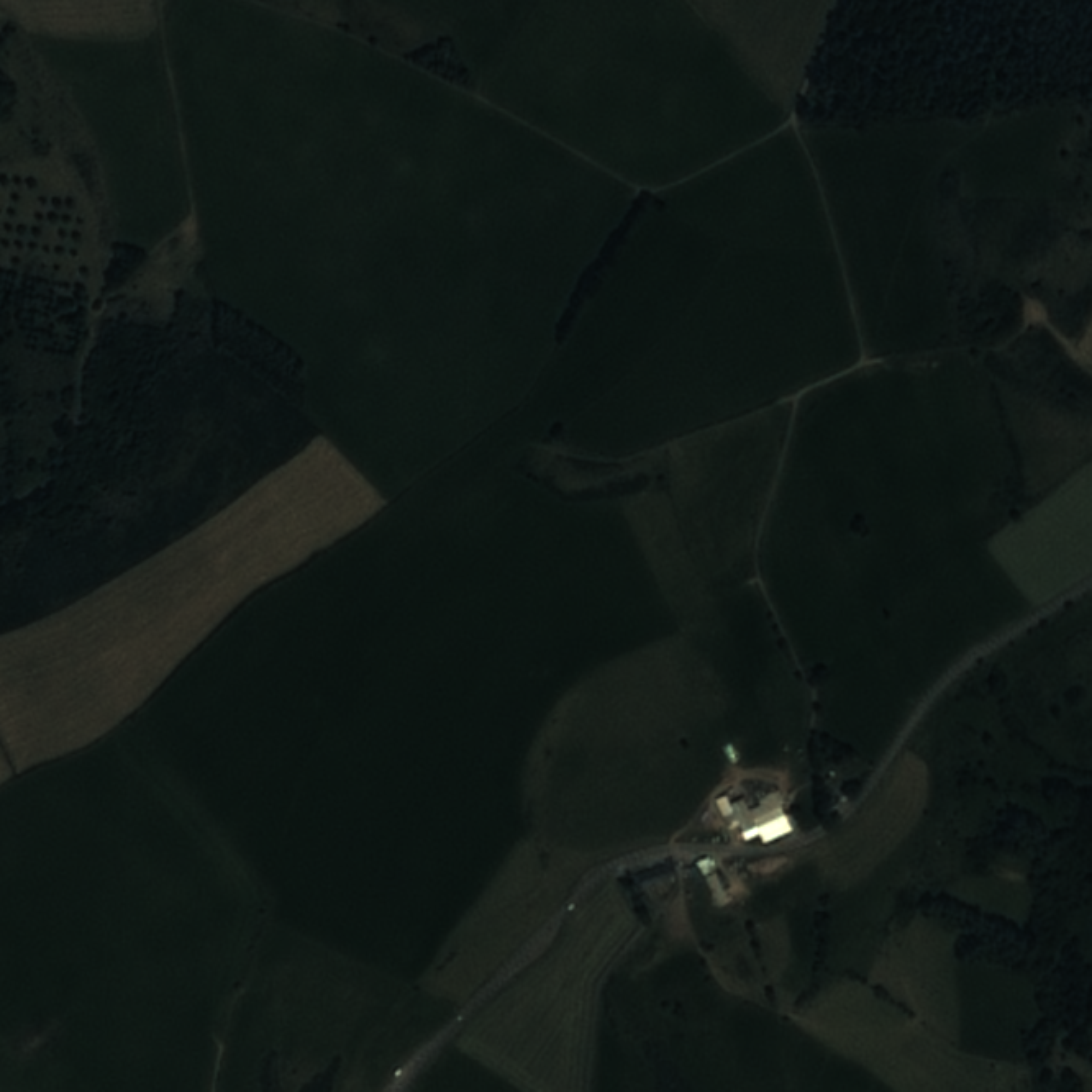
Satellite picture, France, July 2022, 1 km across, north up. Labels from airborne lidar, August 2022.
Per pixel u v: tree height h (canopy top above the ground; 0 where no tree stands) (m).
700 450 0
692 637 0
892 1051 0
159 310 0
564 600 0
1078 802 20
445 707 0
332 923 0
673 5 0
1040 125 0
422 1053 0
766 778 0
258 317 0
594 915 0
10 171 0
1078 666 0
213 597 0
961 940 6
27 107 0
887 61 22
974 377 0
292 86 0
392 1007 0
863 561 0
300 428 0
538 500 0
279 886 0
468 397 0
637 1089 0
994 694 16
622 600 0
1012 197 0
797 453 0
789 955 0
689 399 0
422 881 0
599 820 0
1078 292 0
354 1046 0
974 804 0
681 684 0
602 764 0
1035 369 0
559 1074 0
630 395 0
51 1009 0
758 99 0
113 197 0
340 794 0
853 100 22
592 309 0
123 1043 0
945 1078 0
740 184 0
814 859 0
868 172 0
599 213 0
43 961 0
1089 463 0
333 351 0
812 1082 0
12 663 0
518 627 0
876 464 0
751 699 0
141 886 0
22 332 9
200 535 0
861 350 0
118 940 0
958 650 0
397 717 0
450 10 0
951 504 0
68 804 0
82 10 0
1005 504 0
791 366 0
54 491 9
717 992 0
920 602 0
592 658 0
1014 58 22
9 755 0
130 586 0
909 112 18
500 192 0
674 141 0
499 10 0
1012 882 0
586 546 0
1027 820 28
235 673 0
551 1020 0
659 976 0
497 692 0
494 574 0
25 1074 0
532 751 0
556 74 0
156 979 0
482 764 0
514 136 0
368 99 0
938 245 0
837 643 0
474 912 0
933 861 0
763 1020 0
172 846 0
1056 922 10
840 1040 0
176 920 0
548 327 0
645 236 0
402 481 0
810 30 0
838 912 0
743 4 0
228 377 0
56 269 8
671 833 0
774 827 0
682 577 0
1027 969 10
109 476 6
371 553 0
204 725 0
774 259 0
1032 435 0
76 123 0
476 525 0
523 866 0
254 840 0
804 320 0
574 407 0
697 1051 0
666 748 0
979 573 0
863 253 0
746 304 0
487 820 0
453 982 0
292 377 14
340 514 0
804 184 0
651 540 0
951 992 0
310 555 0
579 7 0
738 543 0
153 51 0
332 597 0
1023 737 10
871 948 0
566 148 0
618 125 0
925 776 0
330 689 0
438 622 0
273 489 0
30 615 0
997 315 9
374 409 0
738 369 0
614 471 0
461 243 0
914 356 0
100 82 0
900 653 0
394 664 0
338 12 0
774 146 0
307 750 0
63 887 0
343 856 0
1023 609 0
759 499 0
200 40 0
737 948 0
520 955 0
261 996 0
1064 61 24
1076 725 0
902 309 0
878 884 0
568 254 0
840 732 0
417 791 0
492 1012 0
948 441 0
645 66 0
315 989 0
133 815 0
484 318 0
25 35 0
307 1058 0
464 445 0
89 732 0
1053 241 0
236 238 0
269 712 0
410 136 0
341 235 0
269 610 0
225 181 0
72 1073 0
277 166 0
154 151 0
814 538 0
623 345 0
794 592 0
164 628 0
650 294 0
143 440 10
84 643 0
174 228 0
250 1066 0
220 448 0
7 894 0
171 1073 0
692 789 0
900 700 0
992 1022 0
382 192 0
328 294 0
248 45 0
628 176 0
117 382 7
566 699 0
